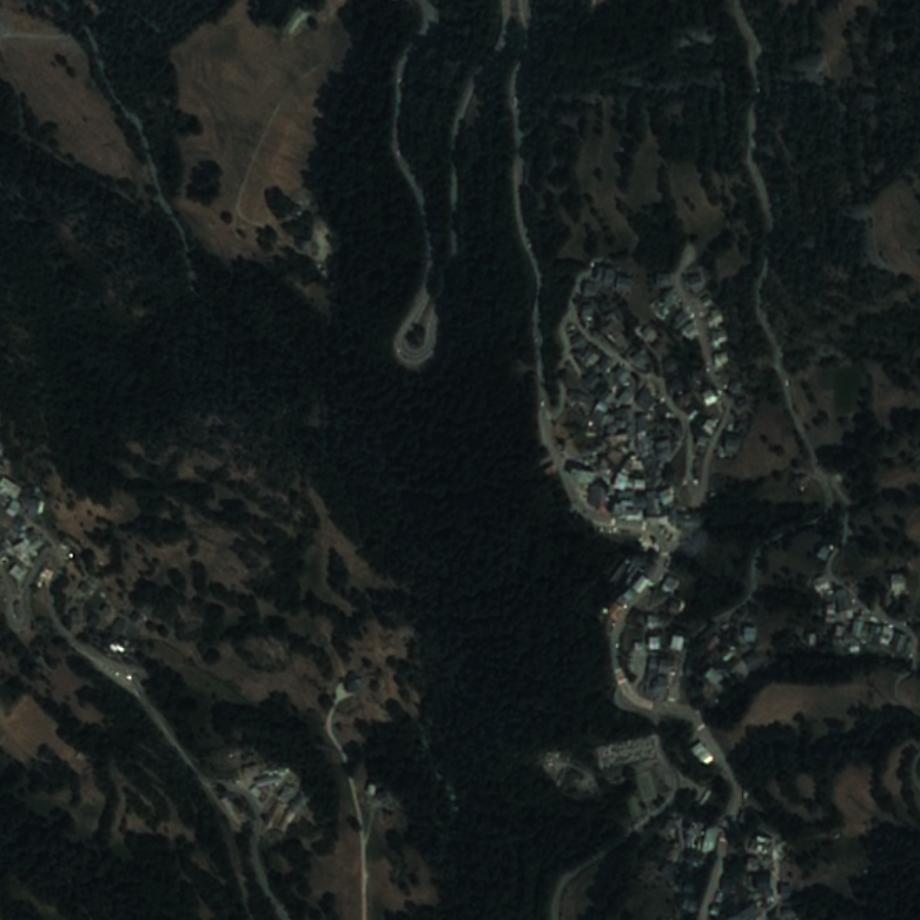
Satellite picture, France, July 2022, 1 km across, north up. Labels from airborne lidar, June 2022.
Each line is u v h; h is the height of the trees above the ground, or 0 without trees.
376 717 0
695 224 0
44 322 13
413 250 18
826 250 12
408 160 13
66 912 23
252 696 0
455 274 19
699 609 8
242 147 0
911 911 22
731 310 7
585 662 27
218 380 8
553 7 8
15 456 7
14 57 0
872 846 17
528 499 25
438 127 19
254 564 10
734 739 0
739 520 22
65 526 0
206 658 8
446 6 24
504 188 21
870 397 13
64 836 15
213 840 23
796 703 0
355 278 24
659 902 0
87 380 18
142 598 13
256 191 0
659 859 6
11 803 24
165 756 7
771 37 6
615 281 0
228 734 15
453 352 18
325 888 0
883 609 7
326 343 11
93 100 0
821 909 12
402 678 12
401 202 22
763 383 8
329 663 17
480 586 24
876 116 11
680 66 19
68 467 28
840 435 0
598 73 17
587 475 0
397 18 26
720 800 7
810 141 16
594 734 11
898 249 0
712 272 17
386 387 28
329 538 0
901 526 15
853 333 19
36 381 12
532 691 21
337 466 11
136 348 9
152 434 14
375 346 14
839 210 12
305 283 9
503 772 20
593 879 0
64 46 0
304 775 16
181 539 10
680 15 16
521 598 23
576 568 36
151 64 17
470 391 32
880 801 23
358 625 17
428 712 25
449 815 21
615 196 0
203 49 0
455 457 28
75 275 23
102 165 0
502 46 0
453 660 23
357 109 22
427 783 34
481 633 21
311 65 0
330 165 30
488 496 35
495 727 18
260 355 27
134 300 13
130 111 11
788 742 17
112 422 42
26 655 8
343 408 14
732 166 16
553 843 27
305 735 19
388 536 11
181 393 16
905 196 0
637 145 11
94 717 0
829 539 17
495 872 25
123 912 27
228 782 0
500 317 23
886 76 19
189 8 11
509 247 27
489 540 27
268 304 17
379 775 25
